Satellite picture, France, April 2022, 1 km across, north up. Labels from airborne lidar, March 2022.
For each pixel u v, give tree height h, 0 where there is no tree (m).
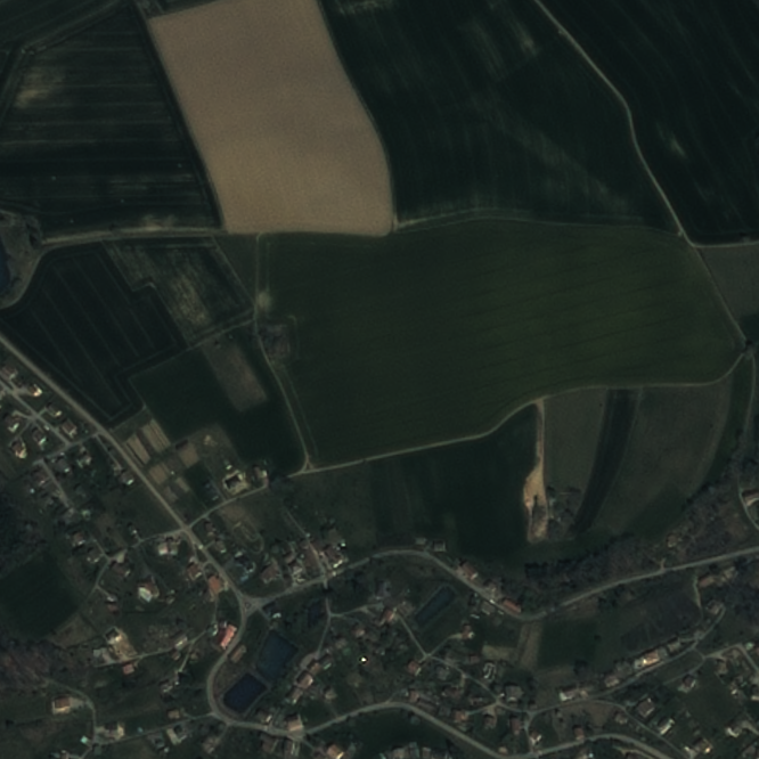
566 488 0
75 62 0
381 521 0
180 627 10
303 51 0
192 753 0
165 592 0
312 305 0
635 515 0
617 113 0
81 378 0
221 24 0
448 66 0
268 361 0
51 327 0
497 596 0
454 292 0
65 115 0
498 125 0
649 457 0
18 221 0
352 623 0
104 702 14
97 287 0
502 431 0
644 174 0
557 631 0
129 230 0
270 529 0
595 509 0
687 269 0
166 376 0
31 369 0
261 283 0
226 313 0
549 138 0
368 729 0
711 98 0
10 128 0
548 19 0
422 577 0
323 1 0
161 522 0
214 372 0
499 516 0
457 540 0
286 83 0
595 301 0
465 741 0
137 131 0
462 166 0
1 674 24
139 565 0
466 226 0
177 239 0
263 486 0
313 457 0
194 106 0
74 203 0
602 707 0
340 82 0
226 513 0
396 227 0
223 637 0
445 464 0
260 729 0
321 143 0
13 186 0
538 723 0
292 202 0
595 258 0
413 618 0
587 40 0
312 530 0
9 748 0
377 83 0
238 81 0
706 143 0
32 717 0
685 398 0
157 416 0
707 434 0
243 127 0
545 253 0
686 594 0
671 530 0
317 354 0
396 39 0
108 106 0
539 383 0
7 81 0
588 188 0
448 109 0
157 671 0
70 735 0
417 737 0
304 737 0
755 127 0
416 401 0
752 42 0
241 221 0
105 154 0
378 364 0
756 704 0
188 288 0
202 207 0
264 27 0
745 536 0
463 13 0
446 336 0
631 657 0
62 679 23
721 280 0
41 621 0
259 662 0
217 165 0
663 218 0
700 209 0
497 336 0
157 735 0
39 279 0
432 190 0
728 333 0
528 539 0
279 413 0
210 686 0
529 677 0
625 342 0
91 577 6
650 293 0
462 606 0
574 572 13
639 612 0
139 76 0
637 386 0
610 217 0
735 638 0
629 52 0
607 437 0
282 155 0
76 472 11
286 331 0
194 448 0
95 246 0
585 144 0
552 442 0
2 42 0
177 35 0
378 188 0
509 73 0
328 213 0
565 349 0
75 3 0
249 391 0
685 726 0
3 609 0
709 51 0
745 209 0
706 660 0
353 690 0
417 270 0
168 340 0
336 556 0
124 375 0
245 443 0
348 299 0
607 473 0
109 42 0
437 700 0
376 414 0
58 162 0
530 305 0
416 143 0
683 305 0
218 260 0
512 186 0
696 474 0
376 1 0
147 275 0
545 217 0
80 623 0
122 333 0
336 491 0
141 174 0
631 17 0
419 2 0
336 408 0
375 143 0
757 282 0
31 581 0
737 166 0
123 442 0
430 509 0
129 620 0
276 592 0
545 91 0
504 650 0
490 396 0
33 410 0
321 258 0
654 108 0
